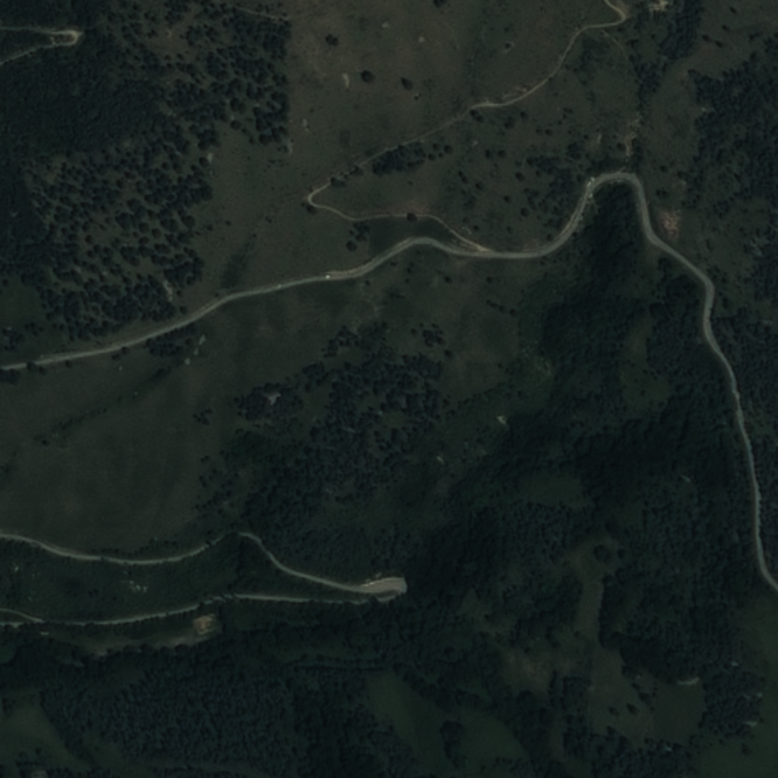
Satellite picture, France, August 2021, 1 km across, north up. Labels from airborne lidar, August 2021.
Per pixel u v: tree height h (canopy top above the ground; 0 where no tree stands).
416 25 0
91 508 0
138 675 0
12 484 0
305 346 0
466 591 8
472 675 8
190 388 0
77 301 9
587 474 8
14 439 0
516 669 0
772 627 0
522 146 0
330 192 0
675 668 12
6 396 0
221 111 13
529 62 0
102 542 0
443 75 0
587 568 0
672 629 9
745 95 9
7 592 7
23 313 0
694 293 12
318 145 0
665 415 8
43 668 23
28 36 11
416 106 0
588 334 8
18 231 19
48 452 0
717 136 10
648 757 13
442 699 18
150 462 0
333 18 0
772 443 9
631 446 18
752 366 9
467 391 0
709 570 9
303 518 13
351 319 0
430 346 9
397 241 0
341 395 12
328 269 0
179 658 8
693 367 9
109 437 0
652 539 6
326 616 16
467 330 0
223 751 10
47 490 0
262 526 13
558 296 8
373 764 18
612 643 17
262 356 0
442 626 10
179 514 0
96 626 11
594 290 17
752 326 7
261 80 15
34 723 0
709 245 7
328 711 13
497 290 0
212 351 0
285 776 12
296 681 15
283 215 0
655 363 13
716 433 8
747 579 11
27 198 19
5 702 9
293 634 23
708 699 8
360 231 7
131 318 13
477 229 10
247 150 0
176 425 0
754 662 0
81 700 10
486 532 15
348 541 12
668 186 0
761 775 0
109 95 12
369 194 0
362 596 10
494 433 6
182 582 7
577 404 6
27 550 8
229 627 15
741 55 0
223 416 0
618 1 0
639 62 8
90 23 16
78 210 18
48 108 11
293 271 0
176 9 15
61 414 0
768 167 7
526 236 0
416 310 0
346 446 9
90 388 0
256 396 10
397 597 7
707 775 0
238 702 11
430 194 0
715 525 11
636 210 8
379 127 0
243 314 0
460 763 15
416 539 8
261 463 8
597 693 0
